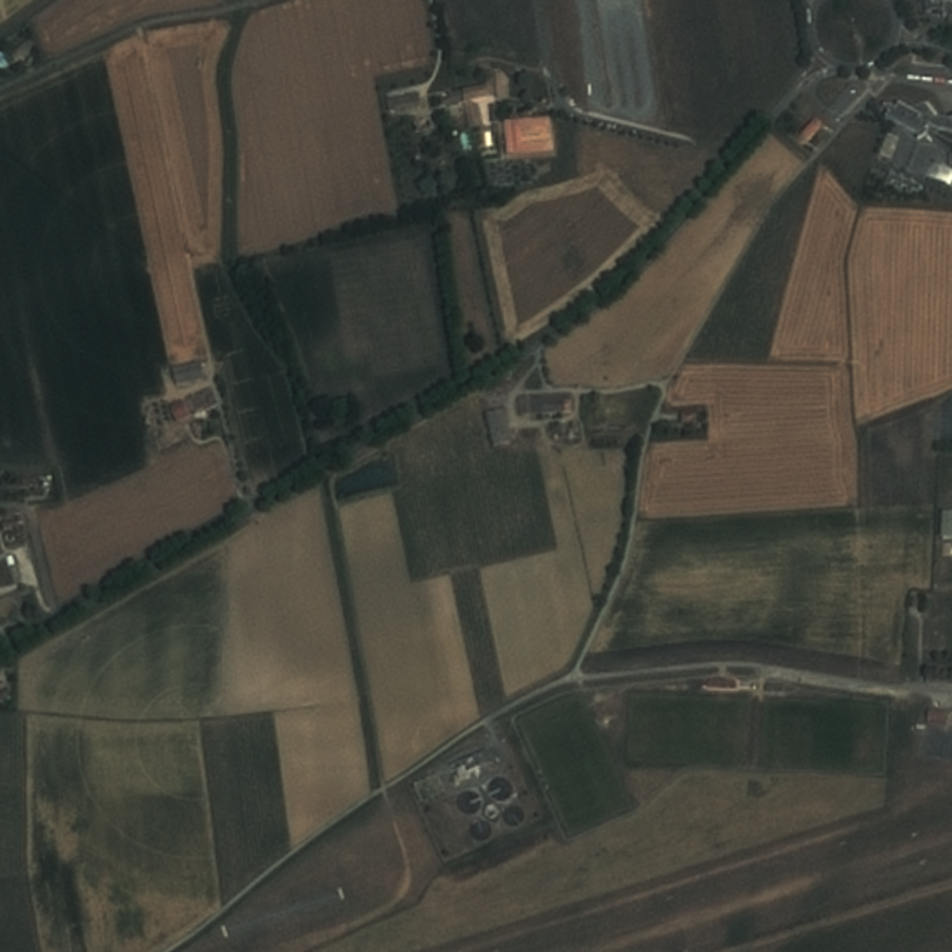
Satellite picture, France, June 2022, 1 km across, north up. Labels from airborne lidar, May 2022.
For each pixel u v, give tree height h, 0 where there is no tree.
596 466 0
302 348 0
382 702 0
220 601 0
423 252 0
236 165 0
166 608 0
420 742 0
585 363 0
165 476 0
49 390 0
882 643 0
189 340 0
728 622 0
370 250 0
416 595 0
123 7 0
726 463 0
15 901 0
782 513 0
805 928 0
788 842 0
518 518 0
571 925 0
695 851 0
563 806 0
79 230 0
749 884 0
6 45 14
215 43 0
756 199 0
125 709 0
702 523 0
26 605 10
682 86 0
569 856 0
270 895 0
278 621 0
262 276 10
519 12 0
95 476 0
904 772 0
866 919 0
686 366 0
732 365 0
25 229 0
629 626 0
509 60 0
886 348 0
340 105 0
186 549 23
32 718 0
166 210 0
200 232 0
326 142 0
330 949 0
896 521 0
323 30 0
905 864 0
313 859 0
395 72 0
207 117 0
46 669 0
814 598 0
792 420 0
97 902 0
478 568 0
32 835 0
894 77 0
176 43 0
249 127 0
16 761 0
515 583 0
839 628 0
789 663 0
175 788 0
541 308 0
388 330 0
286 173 0
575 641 0
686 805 0
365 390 0
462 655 0
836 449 0
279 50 0
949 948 0
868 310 0
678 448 0
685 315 0
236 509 24
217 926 0
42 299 0
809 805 0
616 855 0
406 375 0
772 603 0
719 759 0
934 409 0
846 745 0
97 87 0
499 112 13
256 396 0
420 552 0
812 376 0
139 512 0
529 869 0
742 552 0
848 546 0
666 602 0
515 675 0
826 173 0
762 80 0
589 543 0
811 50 9
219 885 0
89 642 0
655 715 0
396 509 0
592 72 0
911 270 0
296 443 0
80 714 0
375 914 0
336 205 0
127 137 0
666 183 0
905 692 0
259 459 0
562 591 0
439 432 0
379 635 0
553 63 0
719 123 0
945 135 0
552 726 0
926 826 0
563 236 0
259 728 0
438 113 13
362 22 0
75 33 0
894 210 0
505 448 0
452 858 0
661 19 0
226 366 0
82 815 0
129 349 0
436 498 0
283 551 0
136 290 0
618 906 0
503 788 0
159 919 0
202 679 0
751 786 0
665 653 0
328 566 0
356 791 0
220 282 0
